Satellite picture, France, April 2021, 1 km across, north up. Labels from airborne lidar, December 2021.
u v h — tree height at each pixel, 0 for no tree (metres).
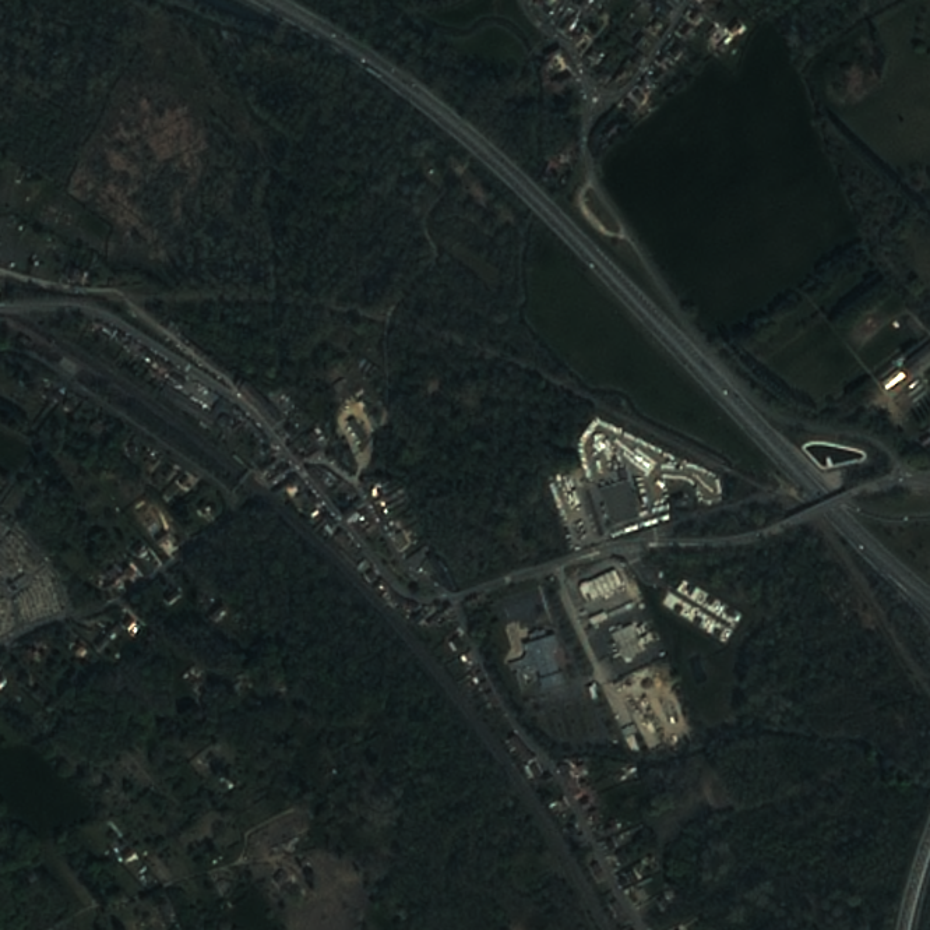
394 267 9
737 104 0
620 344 0
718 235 0
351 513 0
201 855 10
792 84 0
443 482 21
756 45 0
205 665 23
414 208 30
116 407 7
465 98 24
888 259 16
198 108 0
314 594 26
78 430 11
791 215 0
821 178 0
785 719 25
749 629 0
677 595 0
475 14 0
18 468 0
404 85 0
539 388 22
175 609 0
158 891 7
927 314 17
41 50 19
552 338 0
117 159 0
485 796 26
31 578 0
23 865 15
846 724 8
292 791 24
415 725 28
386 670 32
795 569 21
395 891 23
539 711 13
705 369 0
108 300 8
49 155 7
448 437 23
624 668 0
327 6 15
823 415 7
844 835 26
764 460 0
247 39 19
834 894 29
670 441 0
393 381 16
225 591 28
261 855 0
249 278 36
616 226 0
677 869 16
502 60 0
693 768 26
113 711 20
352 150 30
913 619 28
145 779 0
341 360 17
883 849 28
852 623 8
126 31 33
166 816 9
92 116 10
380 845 0
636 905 0
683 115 0
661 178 0
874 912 28
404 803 31
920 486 0
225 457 0
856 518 0
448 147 10
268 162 13
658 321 0
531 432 20
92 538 13
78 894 0
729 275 0
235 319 19
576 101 15
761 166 0
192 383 0
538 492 30
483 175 12
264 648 21
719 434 0
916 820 14
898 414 0
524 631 0
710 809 0
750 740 34
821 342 0
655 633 0
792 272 0
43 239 13
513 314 16
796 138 0
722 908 23
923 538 0
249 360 23
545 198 0
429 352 11
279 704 22
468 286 21
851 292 0
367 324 8
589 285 0
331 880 0
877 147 0
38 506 21
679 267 0
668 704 0
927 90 0
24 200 0
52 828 0
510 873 9
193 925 7
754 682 22
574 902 14
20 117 6
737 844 13
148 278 13
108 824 13
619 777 0
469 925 19
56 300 12
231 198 35
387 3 21
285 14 0
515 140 33
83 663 10
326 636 30
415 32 36
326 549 0
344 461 0
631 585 0
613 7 0
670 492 0
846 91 0
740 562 17
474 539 17
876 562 0
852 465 0
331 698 27
